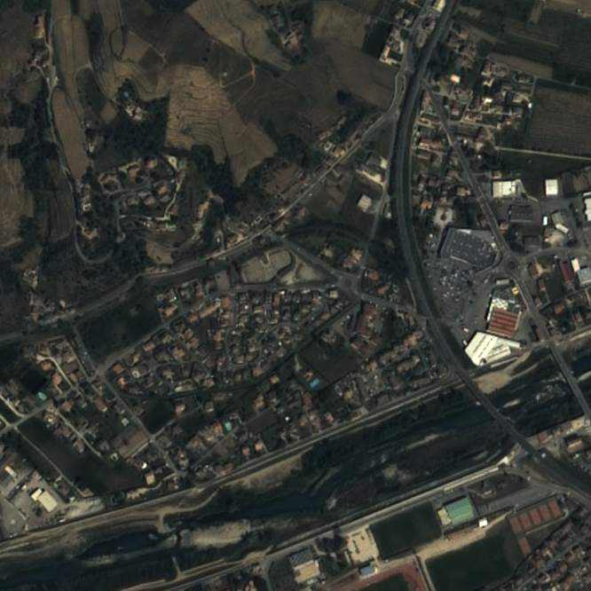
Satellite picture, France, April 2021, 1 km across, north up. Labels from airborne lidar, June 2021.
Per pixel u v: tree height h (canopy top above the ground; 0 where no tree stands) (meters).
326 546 14
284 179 0
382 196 0
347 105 22
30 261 6
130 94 7
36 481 0
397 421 11
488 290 0
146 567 7
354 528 0
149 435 0
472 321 0
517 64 0
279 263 0
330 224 11
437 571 0
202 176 16
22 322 12
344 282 0
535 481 0
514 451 0
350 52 0
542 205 0
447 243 0
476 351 0
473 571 0
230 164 6
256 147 0
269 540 15
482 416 0
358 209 0
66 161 0
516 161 0
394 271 10
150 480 0
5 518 0
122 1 0
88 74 7
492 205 0
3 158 0
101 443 0
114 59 0
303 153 12
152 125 7
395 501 0
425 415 6
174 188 8
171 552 0
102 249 6
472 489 0
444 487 0
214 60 0
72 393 6
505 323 0
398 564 0
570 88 0
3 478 0
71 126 0
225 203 7
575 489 0
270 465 0
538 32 0
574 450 0
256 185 11
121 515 0
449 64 14
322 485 0
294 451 0
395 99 0
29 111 11
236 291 0
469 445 6
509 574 0
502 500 0
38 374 0
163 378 7
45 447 0
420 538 0
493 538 0
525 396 0
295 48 0
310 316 0
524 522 0
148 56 0
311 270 0
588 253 0
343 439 11
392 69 0
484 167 7
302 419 0
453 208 6
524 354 0
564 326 9
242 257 8
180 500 0
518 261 0
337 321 0
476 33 0
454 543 0
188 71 0
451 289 0
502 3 0
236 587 19
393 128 0
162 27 0
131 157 11
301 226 6
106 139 12
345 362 0
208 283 0
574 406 21
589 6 0
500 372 0
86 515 0
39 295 14
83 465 0
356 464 0
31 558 0
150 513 0
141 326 0
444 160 6
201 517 8
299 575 0
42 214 8
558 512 0
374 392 0
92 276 9
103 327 11
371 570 0
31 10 7
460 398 18
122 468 0
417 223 16
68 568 0
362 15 0
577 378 0
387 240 0
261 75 0
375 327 0
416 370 8
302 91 0
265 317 0
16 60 0
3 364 0
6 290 15
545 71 0
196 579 0
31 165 21
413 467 0
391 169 8
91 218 15
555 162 0
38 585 5
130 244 16
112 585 15
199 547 0
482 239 0
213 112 0
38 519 0
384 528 0
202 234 7
